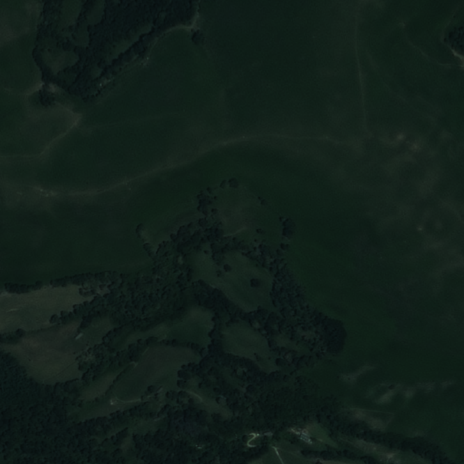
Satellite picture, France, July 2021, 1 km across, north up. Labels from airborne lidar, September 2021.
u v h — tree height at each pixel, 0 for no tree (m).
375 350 0
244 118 0
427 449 12
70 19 0
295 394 10
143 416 13
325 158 0
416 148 0
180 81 0
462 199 0
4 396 21
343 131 0
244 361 21
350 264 0
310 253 0
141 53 15
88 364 10
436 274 0
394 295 0
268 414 15
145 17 18
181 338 0
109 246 0
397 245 0
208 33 0
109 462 20
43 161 0
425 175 0
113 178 0
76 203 0
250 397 21
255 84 0
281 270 18
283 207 0
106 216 0
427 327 0
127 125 0
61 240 0
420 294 0
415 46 0
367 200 0
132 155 0
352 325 0
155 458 23
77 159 0
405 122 0
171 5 18
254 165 0
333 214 0
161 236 0
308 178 0
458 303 0
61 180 0
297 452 0
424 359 0
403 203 0
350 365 0
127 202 0
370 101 0
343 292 0
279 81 0
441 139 0
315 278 0
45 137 0
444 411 0
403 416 0
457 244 0
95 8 0
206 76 0
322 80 0
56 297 0
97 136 0
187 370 24
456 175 0
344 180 0
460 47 10
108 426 20
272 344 21
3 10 0
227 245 18
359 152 0
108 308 22
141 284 19
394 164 0
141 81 0
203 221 18
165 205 0
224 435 11
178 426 28
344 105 0
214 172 0
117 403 0
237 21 0
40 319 0
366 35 0
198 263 0
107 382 0
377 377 0
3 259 0
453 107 0
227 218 0
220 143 0
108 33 19
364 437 19
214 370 13
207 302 21
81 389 20
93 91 25
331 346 14
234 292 0
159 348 0
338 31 0
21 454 14
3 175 0
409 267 0
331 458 25
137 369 0
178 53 0
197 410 9
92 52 22
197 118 0
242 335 0
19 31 0
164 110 0
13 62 0
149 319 20
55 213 0
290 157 0
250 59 0
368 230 0
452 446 0
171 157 0
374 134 0
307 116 0
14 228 0
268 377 21
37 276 0
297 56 0
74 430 23
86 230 0
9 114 0
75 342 0
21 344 0
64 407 19
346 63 0
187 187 0
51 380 0
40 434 17
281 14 0
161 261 20
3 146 0
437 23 0
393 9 0
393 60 0
